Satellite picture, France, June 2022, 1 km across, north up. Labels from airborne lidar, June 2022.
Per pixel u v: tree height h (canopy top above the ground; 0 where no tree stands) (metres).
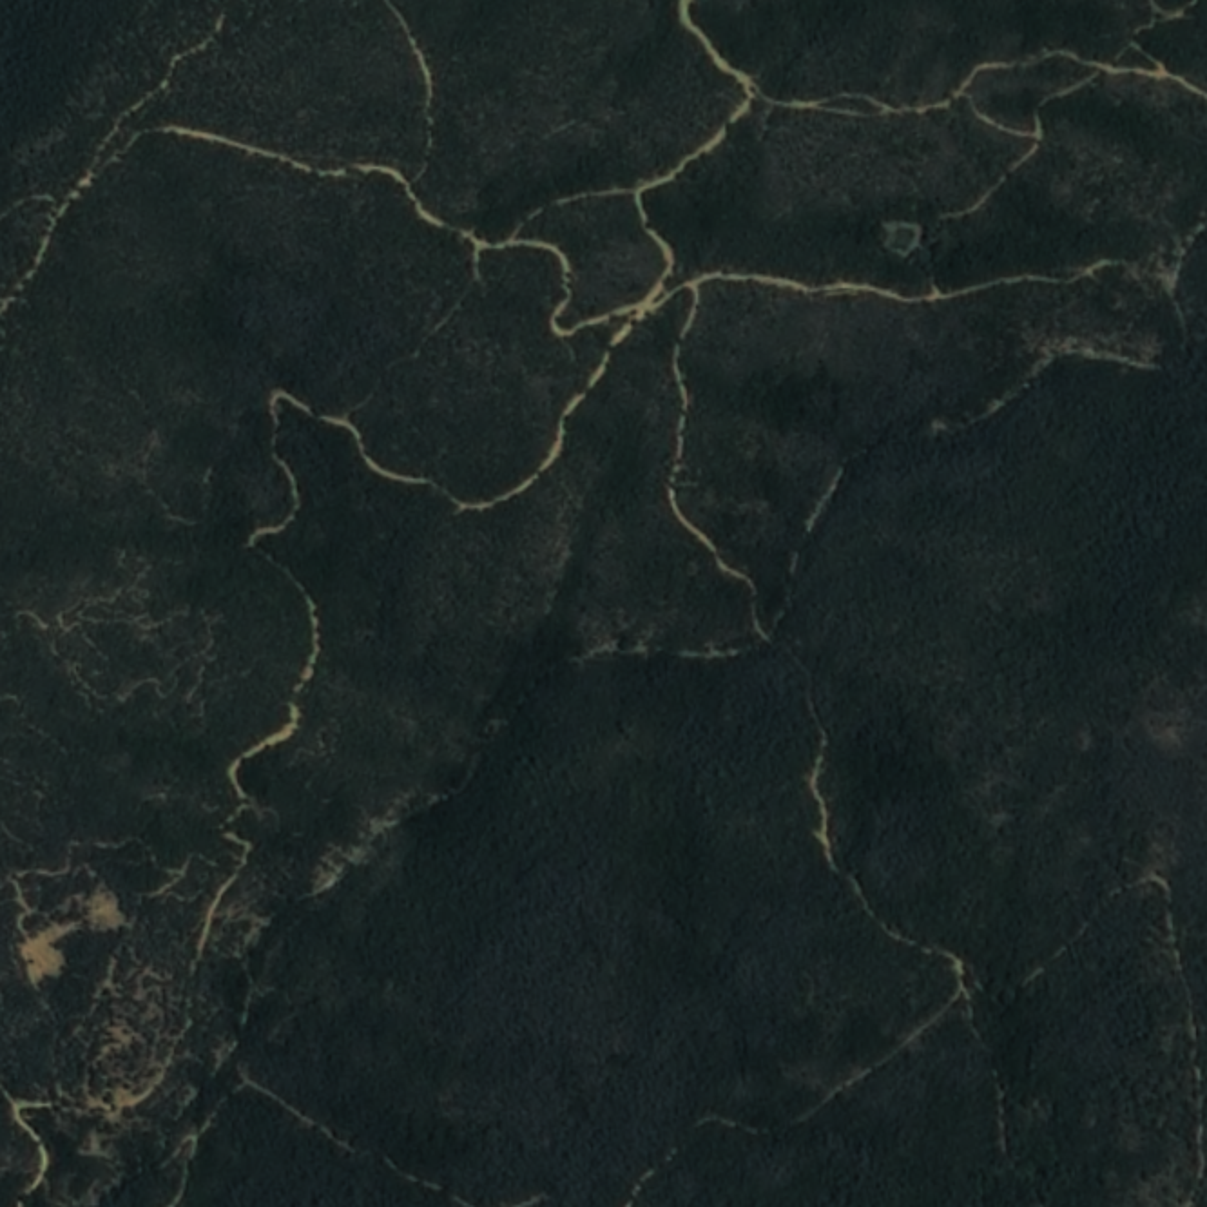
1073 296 7
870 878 10
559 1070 7
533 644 8
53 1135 6
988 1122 7
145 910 9
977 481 11
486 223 9
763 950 10
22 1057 7
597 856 7
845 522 6
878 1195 6
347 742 6
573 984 8
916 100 7
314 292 7
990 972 11
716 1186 7
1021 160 7
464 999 10
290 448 9
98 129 6
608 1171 12
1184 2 6
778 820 6
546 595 7
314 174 7
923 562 7
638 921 7
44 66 9
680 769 10
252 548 10
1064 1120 7
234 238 9
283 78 6
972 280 6
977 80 0
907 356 7
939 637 7
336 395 6
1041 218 7
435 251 6
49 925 11
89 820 8
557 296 6
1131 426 9
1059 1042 10
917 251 10
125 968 7
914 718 8
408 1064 7
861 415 8
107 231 7
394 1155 10
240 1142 5
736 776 10
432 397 8
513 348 10
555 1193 10
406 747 6
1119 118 8
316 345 8
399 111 7
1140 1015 9
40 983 7
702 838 7
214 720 6
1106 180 6
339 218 8
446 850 7
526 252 5
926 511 10
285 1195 10
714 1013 9
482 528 6
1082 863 6
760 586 9
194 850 7
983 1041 8
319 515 7
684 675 9
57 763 6
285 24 6
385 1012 6
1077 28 8
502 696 9
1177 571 12
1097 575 8
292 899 12
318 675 7
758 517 6
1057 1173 14
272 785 6
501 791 9
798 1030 9
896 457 8
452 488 8
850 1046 7
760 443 6
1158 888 6
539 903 8
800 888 7
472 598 9
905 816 12
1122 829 9
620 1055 10
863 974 6
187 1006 14
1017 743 7
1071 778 7
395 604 6
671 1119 9
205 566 9
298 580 8
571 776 10
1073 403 9
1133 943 9
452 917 6
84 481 8
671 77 7
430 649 9
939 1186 7
